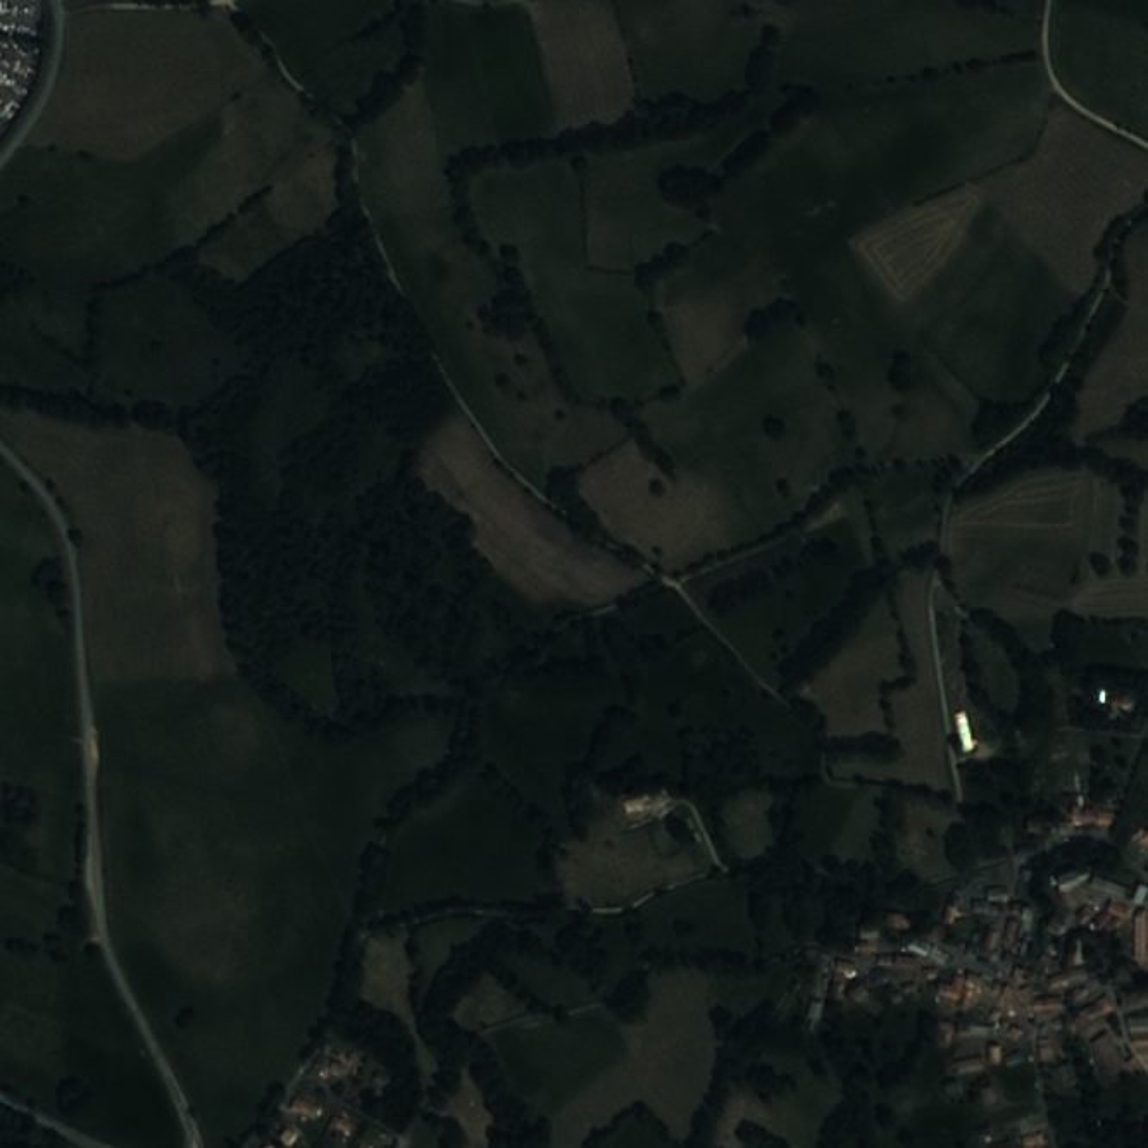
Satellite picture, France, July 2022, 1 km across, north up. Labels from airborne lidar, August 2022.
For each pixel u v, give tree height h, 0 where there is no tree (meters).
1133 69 0
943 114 0
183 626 0
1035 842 7
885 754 22
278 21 0
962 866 23
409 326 24
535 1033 0
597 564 0
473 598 8
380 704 8
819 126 0
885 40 0
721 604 19
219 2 0
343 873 0
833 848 0
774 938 0
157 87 0
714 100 0
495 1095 23
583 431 0
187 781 0
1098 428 0
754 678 0
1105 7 0
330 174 0
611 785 15
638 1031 0
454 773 17
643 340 0
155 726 0
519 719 0
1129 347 0
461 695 8
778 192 0
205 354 0
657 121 21
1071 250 0
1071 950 9
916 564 18
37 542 0
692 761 13
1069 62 0
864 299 0
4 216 0
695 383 0
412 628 9
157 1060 0
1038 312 0
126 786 0
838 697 0
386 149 0
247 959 0
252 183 0
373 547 12
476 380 0
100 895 0
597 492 0
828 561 20
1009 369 0
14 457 0
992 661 0
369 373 6
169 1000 0
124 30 0
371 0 0
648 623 0
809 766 0
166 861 0
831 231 0
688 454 0
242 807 0
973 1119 0
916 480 0
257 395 5
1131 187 0
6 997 0
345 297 23
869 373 0
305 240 6
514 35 0
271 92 0
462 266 0
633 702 12
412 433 32
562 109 0
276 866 0
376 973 0
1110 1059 0
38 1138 12
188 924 0
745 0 0
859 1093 19
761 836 0
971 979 0
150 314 0
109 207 0
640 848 0
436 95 0
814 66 0
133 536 0
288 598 14
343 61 0
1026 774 13
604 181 0
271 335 9
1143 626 6
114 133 0
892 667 0
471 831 0
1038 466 10
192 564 0
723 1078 17
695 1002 0
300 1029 0
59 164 0
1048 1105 10
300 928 0
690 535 0
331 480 9
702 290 0
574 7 0
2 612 0
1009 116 0
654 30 0
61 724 0
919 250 0
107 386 0
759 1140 17
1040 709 24
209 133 0
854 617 20
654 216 0
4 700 0
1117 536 0
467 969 18
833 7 0
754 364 0
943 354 0
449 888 0
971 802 0
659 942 0
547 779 0
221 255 0
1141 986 20
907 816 0
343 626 16
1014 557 0
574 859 0
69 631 8
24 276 7
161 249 0
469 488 0
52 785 0
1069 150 0
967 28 0
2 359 0
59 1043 0
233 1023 0
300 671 0
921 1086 0
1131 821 0
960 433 0
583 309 0
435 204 0
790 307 13
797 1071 0
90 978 0
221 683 0
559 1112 0
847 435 13
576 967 19
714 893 0
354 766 0
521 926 9
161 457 0
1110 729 8
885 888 18
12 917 0
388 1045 8
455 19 0
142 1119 0
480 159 19
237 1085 0
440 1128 17
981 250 0
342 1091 7
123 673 0
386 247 0
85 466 0
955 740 9
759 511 0
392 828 12
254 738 0
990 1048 0
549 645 9
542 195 0
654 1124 14
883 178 0
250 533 8
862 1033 0
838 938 16
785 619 0
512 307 15
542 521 0
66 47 0
